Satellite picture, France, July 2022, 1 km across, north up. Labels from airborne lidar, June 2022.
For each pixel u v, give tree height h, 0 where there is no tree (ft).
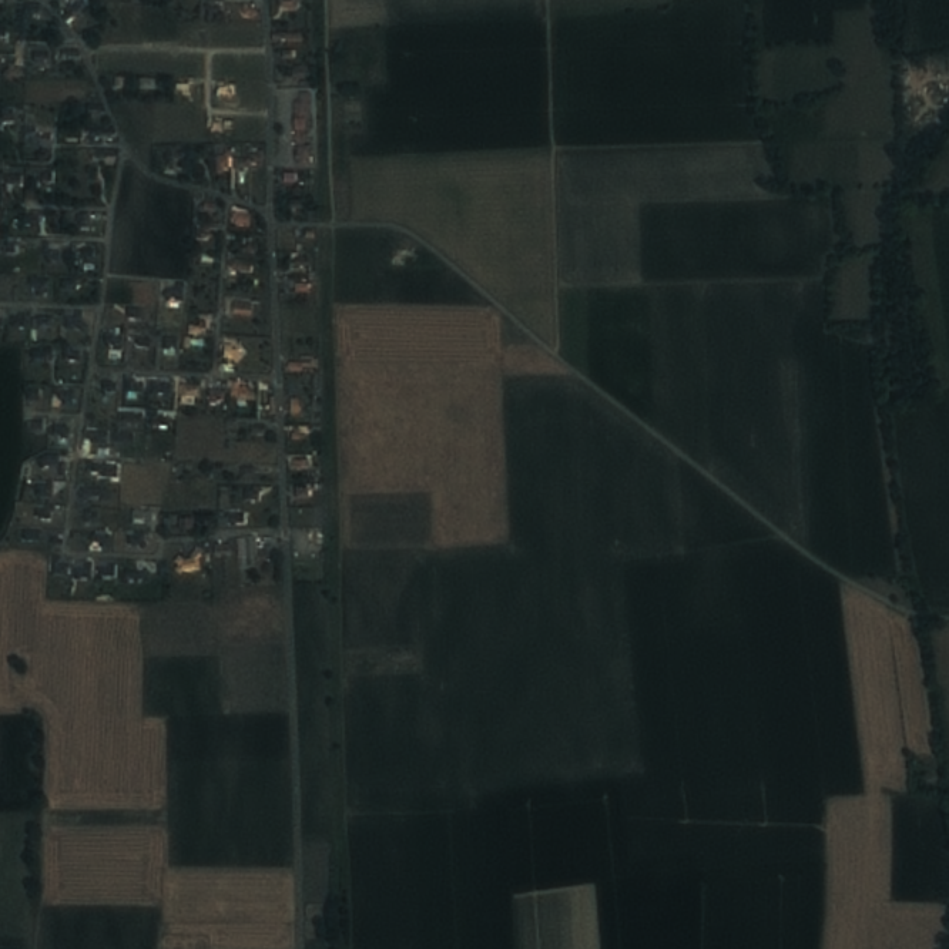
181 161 41
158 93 41
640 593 0
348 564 0
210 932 0
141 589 0
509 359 0
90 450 0
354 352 0
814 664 0
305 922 0
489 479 0
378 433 0
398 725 0
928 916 0
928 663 44
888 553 0
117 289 0
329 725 0
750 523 0
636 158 0
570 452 0
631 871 0
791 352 0
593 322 0
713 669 0
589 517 0
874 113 0
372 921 0
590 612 0
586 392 0
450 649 0
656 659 0
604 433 0
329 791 0
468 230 0
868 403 0
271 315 0
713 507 0
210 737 0
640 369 0
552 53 0
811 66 0
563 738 0
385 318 0
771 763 0
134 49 0
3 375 0
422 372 0
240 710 0
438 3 0
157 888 0
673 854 0
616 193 0
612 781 0
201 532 27
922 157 82
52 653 0
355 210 0
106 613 0
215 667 0
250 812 0
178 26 0
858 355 0
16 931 0
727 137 0
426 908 0
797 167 0
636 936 0
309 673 0
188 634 0
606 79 0
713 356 0
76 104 59
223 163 0
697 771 0
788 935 0
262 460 0
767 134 45
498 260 0
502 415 0
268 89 0
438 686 0
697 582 0
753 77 38
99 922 0
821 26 0
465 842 0
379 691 0
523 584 0
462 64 0
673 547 0
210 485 0
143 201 0
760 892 0
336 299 0
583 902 0
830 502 0
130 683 0
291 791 0
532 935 0
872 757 0
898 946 0
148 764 0
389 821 0
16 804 0
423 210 0
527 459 0
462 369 0
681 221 0
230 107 0
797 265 0
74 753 0
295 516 0
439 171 0
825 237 0
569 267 0
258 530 0
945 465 0
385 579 0
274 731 0
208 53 0
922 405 52
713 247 0
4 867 0
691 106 0
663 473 0
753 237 0
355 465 0
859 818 0
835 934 0
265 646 0
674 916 0
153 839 0
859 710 0
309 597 0
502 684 0
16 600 0
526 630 0
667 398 0
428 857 0
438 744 0
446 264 0
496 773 0
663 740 0
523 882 0
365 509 0
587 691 0
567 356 0
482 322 0
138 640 0
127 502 0
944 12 48
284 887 0
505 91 0
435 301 0
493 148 0
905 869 0
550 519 0
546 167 0
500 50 0
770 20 0
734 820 0
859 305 0
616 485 0
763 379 0
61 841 0
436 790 0
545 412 0
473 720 0
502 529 0
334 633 0
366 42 0
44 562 0
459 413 0
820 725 0
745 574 0
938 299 0
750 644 0
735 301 0
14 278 0
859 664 0
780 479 0
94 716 0
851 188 0
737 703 0
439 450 0
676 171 0
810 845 0
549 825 0
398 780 0
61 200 43
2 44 0
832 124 0
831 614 0
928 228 0
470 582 0
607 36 0
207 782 0
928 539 0
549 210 0
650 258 0
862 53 0
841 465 0
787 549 0
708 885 0
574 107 0
